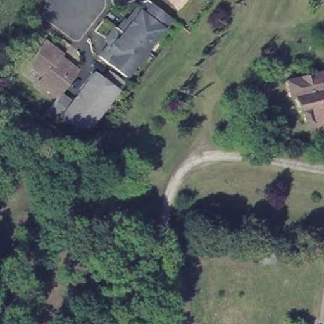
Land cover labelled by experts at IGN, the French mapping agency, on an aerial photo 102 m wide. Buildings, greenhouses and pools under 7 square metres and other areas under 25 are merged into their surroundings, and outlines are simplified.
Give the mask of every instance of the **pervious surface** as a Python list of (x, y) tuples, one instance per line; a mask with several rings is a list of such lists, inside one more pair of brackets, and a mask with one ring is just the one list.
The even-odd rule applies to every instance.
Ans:
[(190, 156), (182, 163), (167, 186), (159, 218), (165, 220), (165, 223), (170, 223), (171, 214), (175, 211), (172, 204), (177, 192), (185, 173), (201, 162), (240, 161), (242, 156), (238, 152), (218, 151), (204, 152), (202, 156)]
[(324, 165), (311, 165), (291, 158), (275, 158), (271, 163), (282, 170), (289, 168), (290, 171), (324, 175)]
[(51, 90), (46, 82), (40, 84), (42, 73), (32, 67), (20, 77), (37, 100), (46, 99)]

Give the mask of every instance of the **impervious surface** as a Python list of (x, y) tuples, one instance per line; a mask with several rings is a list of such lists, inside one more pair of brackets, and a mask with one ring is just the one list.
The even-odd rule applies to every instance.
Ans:
[(105, 35), (114, 27), (119, 27), (127, 18), (125, 15), (111, 14), (110, 8), (113, 5), (135, 3), (135, 0), (40, 0), (34, 8), (37, 9), (40, 20), (51, 25), (48, 34), (52, 42), (65, 46), (67, 49), (63, 51), (63, 56), (81, 68), (70, 89), (65, 92), (71, 99), (80, 94), (81, 85), (86, 84), (90, 76), (94, 76), (96, 72), (108, 78), (111, 84), (115, 78), (121, 82), (121, 76), (118, 71), (100, 62), (99, 57), (108, 47)]

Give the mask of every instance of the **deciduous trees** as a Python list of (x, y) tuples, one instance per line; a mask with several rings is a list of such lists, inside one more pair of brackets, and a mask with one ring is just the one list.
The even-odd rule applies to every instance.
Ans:
[(280, 324), (314, 324), (314, 316), (309, 311), (291, 310), (289, 314), (281, 316)]
[(146, 8), (144, 0), (135, 0), (135, 3), (113, 5), (110, 8), (111, 14), (125, 15), (127, 18), (133, 10)]
[(273, 180), (271, 184), (266, 185), (265, 200), (273, 209), (278, 210), (286, 206), (287, 197), (282, 182), (277, 184)]
[(121, 118), (133, 108), (133, 92), (137, 81), (134, 75), (121, 76), (121, 82), (127, 86), (127, 90), (120, 90), (119, 99), (111, 104), (111, 108), (103, 116), (110, 123), (124, 124)]
[(22, 0), (20, 10), (15, 16), (13, 30), (0, 35), (0, 90), (10, 82), (8, 71), (11, 63), (18, 61), (27, 53), (34, 54), (46, 40), (52, 42), (48, 34), (51, 25), (40, 20), (37, 9), (34, 8), (40, 0)]
[(261, 56), (254, 58), (247, 68), (246, 75), (256, 75), (262, 81), (275, 82), (277, 87), (285, 84), (296, 77), (310, 76), (308, 70), (311, 66), (308, 61), (291, 63), (290, 48), (285, 43), (277, 46), (271, 39), (268, 40), (261, 49)]
[(242, 156), (240, 161), (243, 166), (249, 167), (271, 163), (275, 158), (291, 158), (311, 165), (324, 165), (324, 128), (304, 132), (295, 133), (294, 128), (289, 127), (286, 120), (281, 118), (280, 108), (268, 104), (266, 97), (259, 92), (239, 90), (235, 99), (230, 100), (223, 94), (214, 105), (213, 121), (218, 127), (214, 129), (210, 142), (218, 151), (238, 152)]
[(165, 220), (159, 218), (152, 225), (148, 225), (142, 221), (142, 213), (127, 216), (116, 211), (105, 221), (97, 218), (86, 219), (82, 216), (71, 218), (70, 208), (75, 199), (90, 201), (116, 197), (119, 200), (127, 200), (146, 194), (153, 187), (148, 180), (149, 173), (154, 170), (151, 163), (140, 159), (135, 149), (124, 149), (110, 159), (105, 157), (99, 148), (96, 148), (99, 142), (94, 140), (95, 133), (91, 128), (78, 127), (78, 123), (84, 119), (81, 115), (67, 118), (65, 115), (57, 114), (54, 100), (46, 99), (37, 100), (30, 103), (23, 95), (16, 99), (6, 94), (1, 95), (0, 92), (0, 208), (18, 191), (19, 186), (24, 185), (32, 211), (32, 214), (28, 214), (27, 220), (14, 223), (11, 237), (19, 239), (15, 251), (0, 240), (0, 324), (37, 324), (30, 310), (37, 308), (39, 304), (47, 304), (48, 297), (43, 295), (44, 282), (35, 278), (35, 265), (43, 265), (48, 270), (56, 272), (56, 281), (67, 289), (61, 308), (51, 309), (51, 324), (192, 324), (194, 316), (190, 311), (184, 310), (187, 301), (178, 294), (182, 282), (177, 272), (182, 261), (190, 256), (199, 258), (200, 261), (206, 256), (227, 256), (232, 259), (256, 258), (262, 262), (271, 254), (276, 254), (276, 262), (283, 265), (289, 261), (292, 265), (301, 266), (302, 259), (310, 257), (311, 254), (316, 258), (324, 257), (324, 221), (321, 216), (315, 216), (313, 220), (291, 227), (285, 238), (275, 239), (268, 230), (266, 220), (256, 219), (254, 215), (244, 215), (240, 219), (225, 205), (221, 208), (208, 208), (201, 204), (197, 206), (192, 204), (189, 197), (177, 192), (172, 204), (175, 211), (171, 214), (170, 223), (165, 223)]
[(210, 14), (208, 19), (213, 32), (221, 32), (230, 27), (227, 23), (227, 13), (220, 9), (214, 15)]
[(181, 137), (184, 137), (185, 133), (191, 134), (196, 124), (206, 119), (205, 115), (192, 113), (195, 104), (192, 91), (199, 81), (194, 72), (184, 84), (168, 92), (161, 109), (161, 116), (168, 125), (178, 125), (178, 135)]

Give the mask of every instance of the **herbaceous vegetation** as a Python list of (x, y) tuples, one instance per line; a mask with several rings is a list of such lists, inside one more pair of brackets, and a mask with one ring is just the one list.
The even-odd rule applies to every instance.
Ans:
[(182, 261), (177, 272), (182, 282), (178, 294), (187, 301), (184, 310), (190, 311), (194, 316), (192, 324), (280, 324), (281, 316), (289, 314), (291, 310), (309, 311), (314, 316), (314, 324), (324, 324), (324, 257), (316, 258), (311, 254), (310, 257), (302, 259), (301, 266), (292, 265), (289, 261), (283, 265), (276, 262), (273, 265), (263, 265), (262, 262), (256, 258), (232, 259), (227, 256), (206, 256), (200, 261), (199, 258), (190, 256)]
[(0, 0), (0, 35), (13, 30), (15, 16), (20, 10), (22, 0)]
[(14, 223), (27, 220), (28, 214), (32, 214), (32, 211), (24, 185), (19, 186), (18, 191), (0, 208), (0, 240), (15, 251), (19, 239), (11, 237)]
[[(282, 182), (287, 197), (286, 206), (278, 210), (273, 209), (265, 200), (266, 185), (271, 184), (273, 180), (277, 184)], [(285, 238), (291, 227), (313, 220), (315, 216), (321, 216), (324, 221), (324, 175), (290, 171), (289, 168), (282, 170), (271, 163), (249, 167), (243, 166), (240, 161), (201, 162), (185, 173), (177, 192), (189, 197), (192, 204), (197, 206), (201, 204), (208, 208), (221, 208), (225, 205), (240, 219), (244, 215), (254, 215), (256, 219), (266, 220), (268, 230), (275, 239)]]
[[(239, 90), (259, 92), (266, 97), (268, 104), (280, 108), (281, 118), (286, 120), (289, 127), (294, 128), (295, 133), (304, 132), (304, 119), (297, 113), (295, 104), (287, 97), (285, 84), (277, 87), (275, 82), (262, 81), (256, 75), (246, 75), (247, 68), (254, 58), (261, 56), (261, 49), (268, 40), (271, 39), (277, 46), (285, 43), (290, 48), (291, 63), (308, 61), (311, 66), (316, 71), (324, 71), (324, 0), (189, 0), (184, 8), (176, 10), (166, 0), (152, 0), (171, 16), (173, 22), (168, 25), (168, 29), (154, 47), (156, 56), (144, 58), (134, 71), (134, 75), (137, 81), (133, 92), (133, 108), (121, 118), (124, 124), (110, 123), (103, 116), (91, 128), (95, 133), (94, 140), (99, 142), (96, 148), (99, 148), (105, 157), (110, 159), (124, 149), (135, 149), (140, 159), (151, 163), (154, 170), (149, 173), (148, 180), (153, 187), (146, 194), (127, 200), (119, 200), (116, 197), (90, 201), (75, 199), (70, 208), (71, 218), (82, 216), (86, 219), (97, 218), (105, 221), (116, 211), (127, 216), (142, 213), (142, 221), (148, 225), (152, 225), (159, 218), (167, 186), (182, 163), (190, 156), (202, 156), (204, 152), (218, 151), (210, 142), (214, 129), (218, 127), (213, 121), (214, 105), (223, 94), (230, 100), (235, 99)], [(210, 14), (214, 15), (220, 9), (227, 13), (227, 23), (230, 27), (221, 32), (213, 32), (208, 19)], [(195, 104), (192, 113), (205, 115), (206, 119), (196, 124), (191, 134), (185, 133), (184, 137), (181, 137), (178, 135), (178, 125), (168, 125), (161, 116), (161, 109), (168, 92), (184, 84), (194, 72), (199, 81), (192, 91)]]
[(1, 95), (6, 94), (16, 99), (23, 95), (30, 103), (37, 100), (20, 77), (32, 67), (34, 54), (27, 53), (18, 61), (11, 63), (8, 71), (10, 82), (0, 90), (0, 92)]
[(61, 308), (67, 289), (56, 281), (56, 272), (48, 270), (43, 265), (35, 265), (35, 278), (44, 282), (43, 295), (48, 297), (47, 304), (39, 304), (37, 308), (30, 310), (37, 324), (51, 324), (51, 309)]

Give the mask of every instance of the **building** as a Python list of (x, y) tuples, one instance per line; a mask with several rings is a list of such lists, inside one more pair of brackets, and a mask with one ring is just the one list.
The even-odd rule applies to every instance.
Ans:
[(184, 8), (189, 0), (166, 0), (176, 10)]
[(304, 132), (324, 128), (324, 71), (316, 71), (311, 66), (308, 70), (310, 76), (296, 77), (285, 84), (287, 97), (295, 104), (297, 113), (304, 119)]
[(80, 94), (71, 99), (65, 92), (70, 89), (81, 68), (63, 56), (63, 51), (67, 49), (65, 46), (52, 42), (46, 40), (34, 54), (32, 67), (42, 73), (40, 84), (46, 82), (51, 90), (46, 99), (54, 100), (57, 114), (65, 115), (67, 118), (81, 115), (84, 119), (78, 123), (78, 127), (91, 128), (103, 116), (111, 108), (111, 104), (119, 99), (120, 90), (127, 90), (127, 86), (121, 82), (115, 78), (111, 84), (108, 78), (96, 72), (94, 76), (90, 76), (86, 84), (81, 85)]
[(114, 27), (105, 35), (108, 47), (99, 57), (100, 62), (118, 71), (121, 76), (134, 75), (134, 71), (144, 58), (156, 56), (154, 47), (168, 29), (168, 25), (173, 22), (171, 16), (152, 0), (144, 0), (146, 8), (133, 10), (127, 18), (119, 27)]
[(262, 262), (263, 265), (273, 265), (276, 262), (276, 254), (271, 254)]

